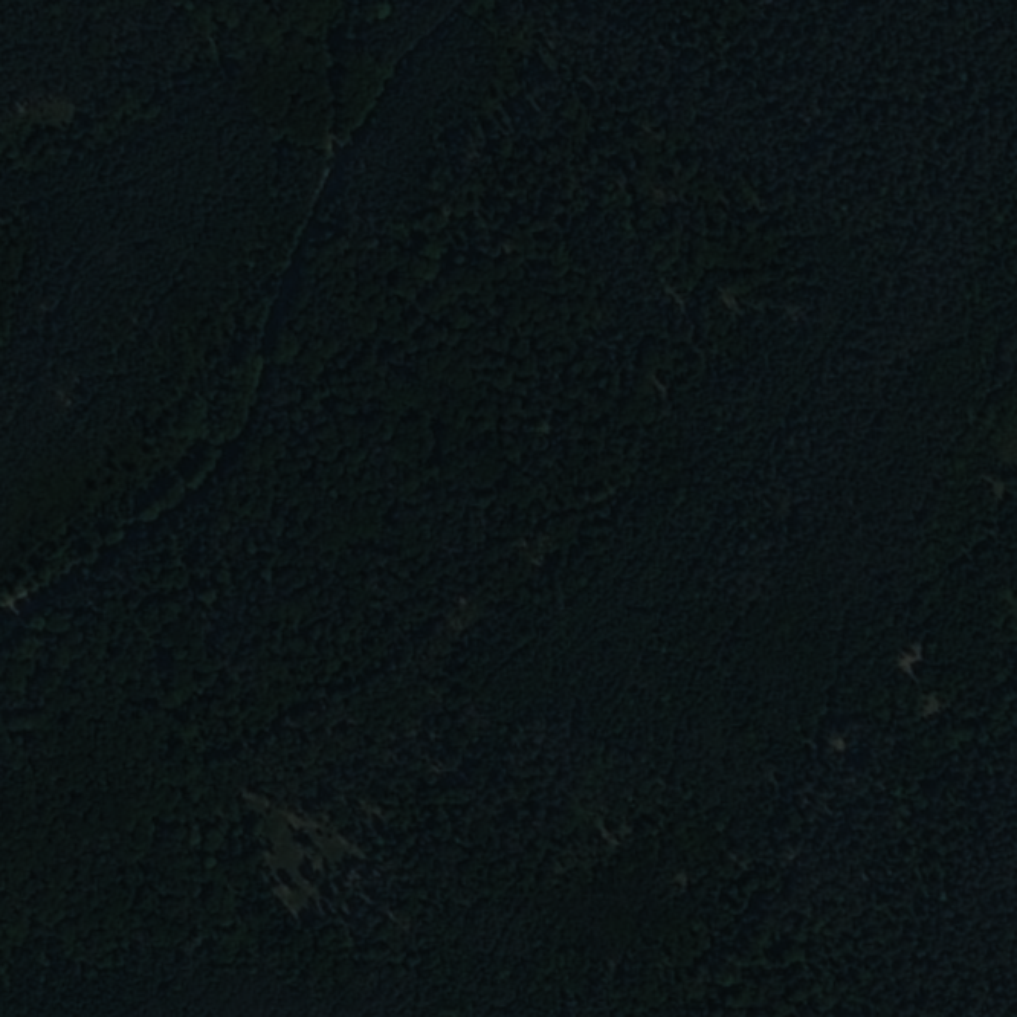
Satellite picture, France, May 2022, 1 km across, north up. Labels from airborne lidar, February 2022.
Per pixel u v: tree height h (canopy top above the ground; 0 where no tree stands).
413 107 23
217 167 19
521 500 27
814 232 18
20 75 31
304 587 33
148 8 34
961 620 14
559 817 34
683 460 17
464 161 32
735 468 13
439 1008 19
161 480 15
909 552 38
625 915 11
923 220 31
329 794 33
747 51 28
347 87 32
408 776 28
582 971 11
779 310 8
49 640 31
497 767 20
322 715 30
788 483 34
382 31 31
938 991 14
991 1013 32
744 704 23
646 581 26
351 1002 24
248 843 13
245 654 35
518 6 38
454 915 18
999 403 13
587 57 30
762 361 23
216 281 20
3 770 30
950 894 33
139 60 36
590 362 29
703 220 8
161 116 30
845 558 33
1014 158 25
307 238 20
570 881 13
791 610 22
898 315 30
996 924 26
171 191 21
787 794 19
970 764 20
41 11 33
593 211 26
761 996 27
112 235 24
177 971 25
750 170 32
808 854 38
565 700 23
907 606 19
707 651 15
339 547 33
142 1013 20
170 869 30
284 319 13
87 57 35
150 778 31
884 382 30
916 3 30
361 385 35
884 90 19
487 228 10
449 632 33
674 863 16
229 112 25
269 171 22
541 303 32
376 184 28
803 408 26
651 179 31
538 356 34
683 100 32
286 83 32
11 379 27
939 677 15
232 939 23
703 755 21
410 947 13
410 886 30
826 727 38
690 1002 10
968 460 10
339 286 35
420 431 32
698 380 15
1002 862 33
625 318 24
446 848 33
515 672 20
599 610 20
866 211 33
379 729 30
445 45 24
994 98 28
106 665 29
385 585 32
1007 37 19
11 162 28
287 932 26
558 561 28
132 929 32
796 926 34
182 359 20
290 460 35
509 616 23
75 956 17
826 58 35
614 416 31
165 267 21
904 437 30
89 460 20
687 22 21
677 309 20
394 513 32
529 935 13
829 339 22
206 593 29
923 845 20
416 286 30
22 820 35
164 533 24
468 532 30
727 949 35
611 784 33
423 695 30
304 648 27
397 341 35
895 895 39
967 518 10
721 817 17
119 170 27
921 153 31
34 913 29
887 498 32
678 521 19
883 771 24
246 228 21
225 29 31
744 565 28
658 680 12
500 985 15
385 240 33
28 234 11
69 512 14
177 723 35
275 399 34
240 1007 19
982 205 35
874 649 24
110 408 18
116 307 19
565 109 36
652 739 20
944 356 22
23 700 34
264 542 38
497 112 0
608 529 26
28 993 22
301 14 38
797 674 22
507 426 28
